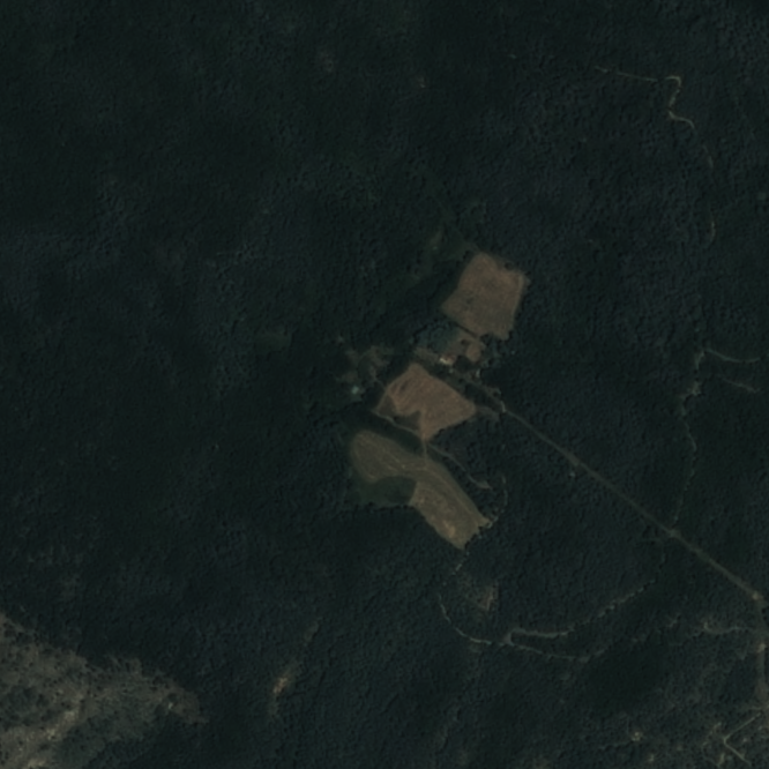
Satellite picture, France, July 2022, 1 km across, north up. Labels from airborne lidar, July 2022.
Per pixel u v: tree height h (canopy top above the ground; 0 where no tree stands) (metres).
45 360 12
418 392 0
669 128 12
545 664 9
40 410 9
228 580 14
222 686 8
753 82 14
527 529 9
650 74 9
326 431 14
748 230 11
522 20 12
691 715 9
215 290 17
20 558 10
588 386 17
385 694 17
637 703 15
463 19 11
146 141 8
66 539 10
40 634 9
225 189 8
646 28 15
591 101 15
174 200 7
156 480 11
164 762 10
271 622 12
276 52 9
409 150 9
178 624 19
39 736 0
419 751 14
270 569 9
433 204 14
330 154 11
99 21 11
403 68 7
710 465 15
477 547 13
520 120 16
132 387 10
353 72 8
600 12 12
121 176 10
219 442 13
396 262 15
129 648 11
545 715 15
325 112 11
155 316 14
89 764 9
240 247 9
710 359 10
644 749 16
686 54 10
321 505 9
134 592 13
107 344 14
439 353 16
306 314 8
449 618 11
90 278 12
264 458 16
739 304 10
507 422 17
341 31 7
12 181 10
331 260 13
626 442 22
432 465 0
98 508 10
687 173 13
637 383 13
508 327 0
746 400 9
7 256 10
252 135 12
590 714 11
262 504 14
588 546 13
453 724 9
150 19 7
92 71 6
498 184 13
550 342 13
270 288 12
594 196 6
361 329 10
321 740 10
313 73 8
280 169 6
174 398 12
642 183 19
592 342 13
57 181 10
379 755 12
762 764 10
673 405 9
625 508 13
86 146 9
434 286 8
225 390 14
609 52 10
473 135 12
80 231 12
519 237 13
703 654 11
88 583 10
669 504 10
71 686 0
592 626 13
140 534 13
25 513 8
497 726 6
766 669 9
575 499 20
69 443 10
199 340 16
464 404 0
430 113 12
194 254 10
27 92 11
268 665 13
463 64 7
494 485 9
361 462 0
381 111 7
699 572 19
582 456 17
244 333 14
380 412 0
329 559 9
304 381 20
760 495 11
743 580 14
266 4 10
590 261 8
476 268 0
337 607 12
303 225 16
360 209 7
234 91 13
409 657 14
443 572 9
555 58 10
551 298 10
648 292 17
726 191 10
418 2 9
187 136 7
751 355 6
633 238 15
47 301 15
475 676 14
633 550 13
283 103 8
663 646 13
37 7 6
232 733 11
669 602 16
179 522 15
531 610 15
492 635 8
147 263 10
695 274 17
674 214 16
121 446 11
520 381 11
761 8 19
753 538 22
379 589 11
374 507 15
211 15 12
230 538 11
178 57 10
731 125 16
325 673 16
